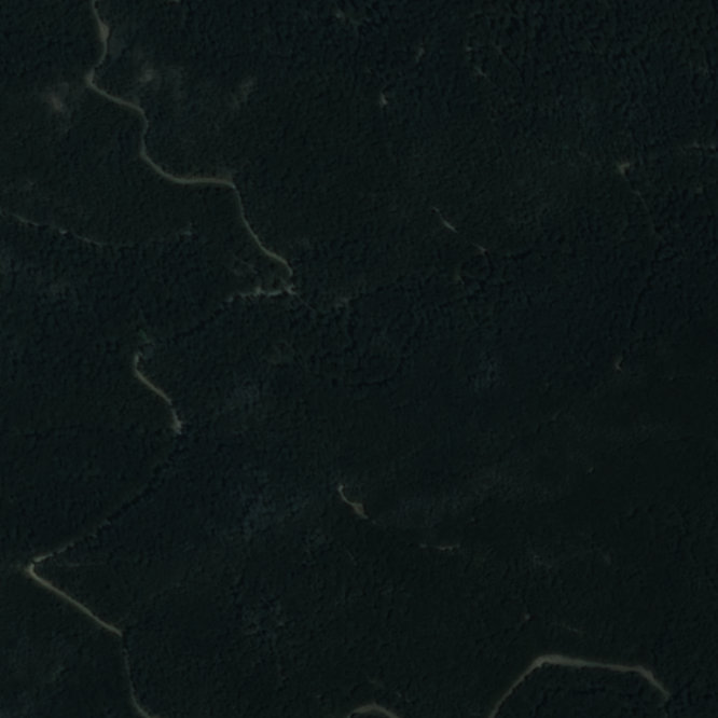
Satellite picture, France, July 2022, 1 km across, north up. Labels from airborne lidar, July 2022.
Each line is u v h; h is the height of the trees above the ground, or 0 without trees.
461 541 14
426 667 8
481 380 17
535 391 17
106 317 16
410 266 22
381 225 19
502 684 14
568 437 15
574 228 21
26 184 9
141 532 16
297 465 17
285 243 14
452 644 15
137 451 25
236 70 14
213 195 26
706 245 24
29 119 15
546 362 14
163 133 9
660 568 15
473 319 19
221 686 22
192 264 18
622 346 21
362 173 20
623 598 19
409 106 13
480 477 14
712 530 16
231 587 15
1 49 23
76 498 20
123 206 19
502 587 24
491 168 15
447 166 15
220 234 22
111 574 7
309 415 24
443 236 18
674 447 19
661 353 16
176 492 21
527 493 19
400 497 15
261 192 17
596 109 16
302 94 25
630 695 19
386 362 26
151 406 23
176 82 6
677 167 19
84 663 24
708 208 27
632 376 9
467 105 13
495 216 16
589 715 24
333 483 8
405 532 12
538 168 13
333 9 9
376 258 15
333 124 22
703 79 33
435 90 14
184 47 21
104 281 14
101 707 19
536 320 21
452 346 15
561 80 25
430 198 14
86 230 20
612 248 23
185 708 22
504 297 22
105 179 12
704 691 16
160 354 11
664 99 25
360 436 22
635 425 16
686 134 20
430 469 16
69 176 15
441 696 25
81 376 20
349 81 10
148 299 16
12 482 23
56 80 8
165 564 13
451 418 17
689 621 19
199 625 16
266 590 19
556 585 23
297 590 17
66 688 18
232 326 20
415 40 19
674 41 15
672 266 25
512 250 29
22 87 12
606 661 11
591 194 20
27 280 11
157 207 16
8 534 19
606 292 22
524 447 17
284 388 22
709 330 20
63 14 13
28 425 30
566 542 15
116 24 12
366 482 11
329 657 27
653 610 13
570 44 30
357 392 28
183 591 16
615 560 18
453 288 30
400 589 27
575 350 17
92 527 14
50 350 21
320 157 21
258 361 9
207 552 9
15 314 17
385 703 26
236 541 11
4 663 22
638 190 22
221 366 19
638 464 17
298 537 17
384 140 20
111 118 17
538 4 33
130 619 9
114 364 8
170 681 19
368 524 19
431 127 18
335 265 13
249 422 11
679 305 20
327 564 15
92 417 30
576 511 23
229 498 16
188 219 21
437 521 19
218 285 21
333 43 22
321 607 21
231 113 12
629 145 23
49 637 14
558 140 12
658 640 10
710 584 17
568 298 18
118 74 11
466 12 14
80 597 18
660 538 19
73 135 16
